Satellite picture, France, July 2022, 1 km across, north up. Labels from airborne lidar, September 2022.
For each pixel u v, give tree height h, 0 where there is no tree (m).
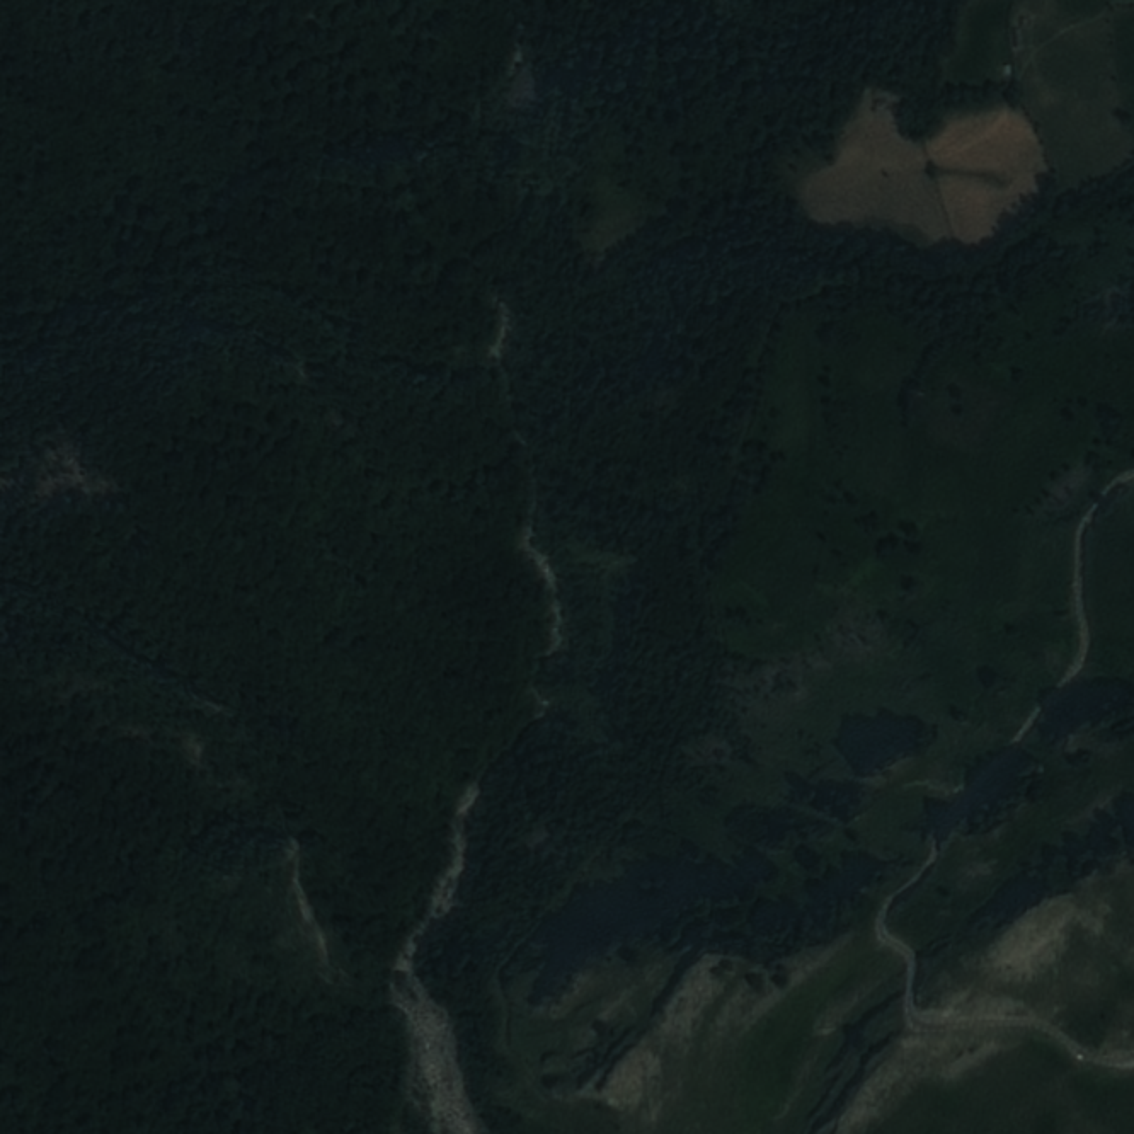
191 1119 20
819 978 0
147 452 26
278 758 25
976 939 0
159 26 30
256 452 28
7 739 15
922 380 6
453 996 9
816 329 0
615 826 10
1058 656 0
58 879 23
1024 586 0
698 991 0
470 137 23
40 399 29
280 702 19
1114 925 0
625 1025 0
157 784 27
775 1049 0
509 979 10
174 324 22
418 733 23
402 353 21
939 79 16
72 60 27
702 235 11
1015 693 0
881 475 0
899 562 0
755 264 24
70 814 30
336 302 17
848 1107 0
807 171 0
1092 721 6
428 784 19
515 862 15
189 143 10
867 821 0
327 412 17
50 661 18
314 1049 27
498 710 28
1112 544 0
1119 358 0
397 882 26
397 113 10
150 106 8
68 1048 13
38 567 30
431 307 30
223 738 15
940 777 0
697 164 18
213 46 31
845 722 0
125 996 13
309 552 22
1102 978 0
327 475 14
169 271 23
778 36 16
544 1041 0
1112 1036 0
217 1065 30
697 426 11
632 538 16
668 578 11
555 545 7
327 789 29
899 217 0
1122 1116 0
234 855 21
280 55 26
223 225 26
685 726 8
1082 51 0
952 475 0
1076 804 0
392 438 26
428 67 10
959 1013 0
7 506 30
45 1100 10
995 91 15
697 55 29
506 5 13
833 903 16
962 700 0
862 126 0
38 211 9
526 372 13
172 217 10
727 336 8
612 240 0
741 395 10
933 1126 0
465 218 10
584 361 12
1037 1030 0
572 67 7
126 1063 26
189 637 22
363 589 30
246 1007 27
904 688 0
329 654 27
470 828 17
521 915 7
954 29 20
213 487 26
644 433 14
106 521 27
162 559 28
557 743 10
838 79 17
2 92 10
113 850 27
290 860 14
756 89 15
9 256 8
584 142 15
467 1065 6
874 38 21
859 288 10
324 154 34
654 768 7
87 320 29
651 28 33
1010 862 0
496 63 11
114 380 31
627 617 15
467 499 22
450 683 28
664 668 9
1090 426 0
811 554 0
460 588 32
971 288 15
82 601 26
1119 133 0
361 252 27
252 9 23
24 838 26
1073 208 16
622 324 16
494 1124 12
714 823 0
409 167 18
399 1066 14
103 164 8
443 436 27
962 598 0
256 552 26
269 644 26
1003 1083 0
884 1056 0
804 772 0
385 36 8
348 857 11
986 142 0
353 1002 9
